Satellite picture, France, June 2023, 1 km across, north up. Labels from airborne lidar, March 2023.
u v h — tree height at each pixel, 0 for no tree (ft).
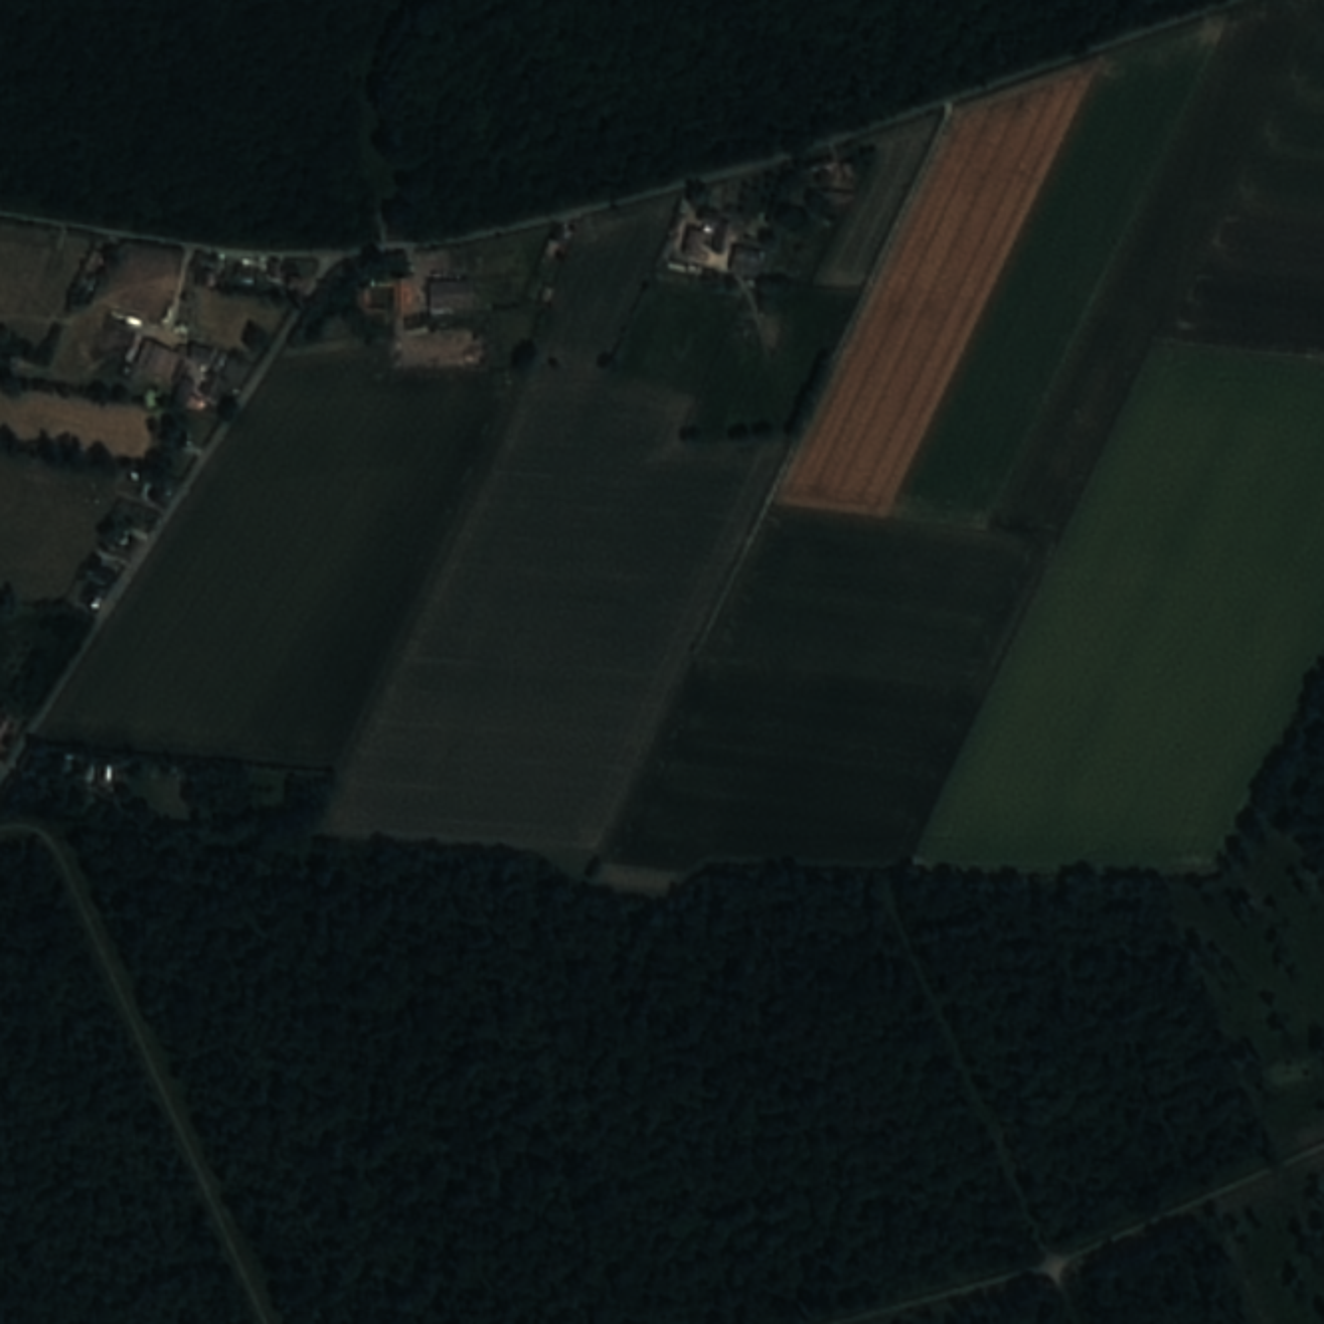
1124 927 63
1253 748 0
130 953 65
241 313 0
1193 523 0
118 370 0
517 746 0
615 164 65
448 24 71
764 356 0
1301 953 0
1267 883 0
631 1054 81
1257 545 0
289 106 76
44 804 56
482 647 0
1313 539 0
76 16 64
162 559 0
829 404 0
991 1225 77
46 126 74
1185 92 0
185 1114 0
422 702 0
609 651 0
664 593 0
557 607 0
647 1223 57
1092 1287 68
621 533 0
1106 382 0
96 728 0
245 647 0
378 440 0
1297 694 0
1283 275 0
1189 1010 77
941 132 0
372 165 0
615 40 77
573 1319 61
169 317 0
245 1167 57
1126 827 0
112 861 64
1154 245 0
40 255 0
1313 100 0
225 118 74
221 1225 0
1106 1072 80
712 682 0
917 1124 75
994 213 0
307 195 68
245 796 29
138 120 67
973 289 0
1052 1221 66
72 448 68
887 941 82
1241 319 0
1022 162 0
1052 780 0
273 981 77
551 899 79
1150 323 0
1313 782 80
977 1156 78
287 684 0
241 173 71
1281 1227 0
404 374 0
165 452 21
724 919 76
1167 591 0
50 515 0
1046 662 0
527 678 0
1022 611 0
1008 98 0
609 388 0
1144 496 0
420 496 0
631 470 0
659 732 0
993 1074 69
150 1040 0
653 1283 65
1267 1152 86
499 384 0
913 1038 78
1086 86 0
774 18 70
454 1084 85
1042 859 0
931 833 0
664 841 0
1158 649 0
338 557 0
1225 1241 0
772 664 0
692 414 0
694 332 0
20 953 57
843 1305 57
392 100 74
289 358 0
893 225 0
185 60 70
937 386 0
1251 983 0
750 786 0
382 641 0
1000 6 71
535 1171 80
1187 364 0
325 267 0
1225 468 0
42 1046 76
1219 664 0
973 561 0
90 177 74
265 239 40
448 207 59
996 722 0
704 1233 73
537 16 77
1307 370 0
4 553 0
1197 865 0
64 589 0
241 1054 66
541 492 0
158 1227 68
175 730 0
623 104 63
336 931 64
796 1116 72
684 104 67
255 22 64
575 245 0
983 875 47
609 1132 79
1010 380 0
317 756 0
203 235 47
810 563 0
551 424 0
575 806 0
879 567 0
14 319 0
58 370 0
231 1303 67
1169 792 0
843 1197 76
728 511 0
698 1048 79
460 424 0
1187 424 0
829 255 0
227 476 0
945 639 0
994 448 0
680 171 41
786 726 0
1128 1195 68
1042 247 0
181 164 71
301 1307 83
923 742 0
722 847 0
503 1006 82
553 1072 67
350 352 0
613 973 70
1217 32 0
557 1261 68
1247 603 0
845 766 0
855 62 64
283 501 0
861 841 0
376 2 76
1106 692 0
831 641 0
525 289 0
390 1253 64
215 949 71
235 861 71
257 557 0
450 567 0
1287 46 0
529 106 73
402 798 0
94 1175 63
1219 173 0
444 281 0
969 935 63
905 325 0
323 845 33
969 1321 83
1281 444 0
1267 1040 0
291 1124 42
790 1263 73
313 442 0
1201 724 0
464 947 66
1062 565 0
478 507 0
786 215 43
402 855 65
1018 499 0
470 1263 72
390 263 20
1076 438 0
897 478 0
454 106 67
